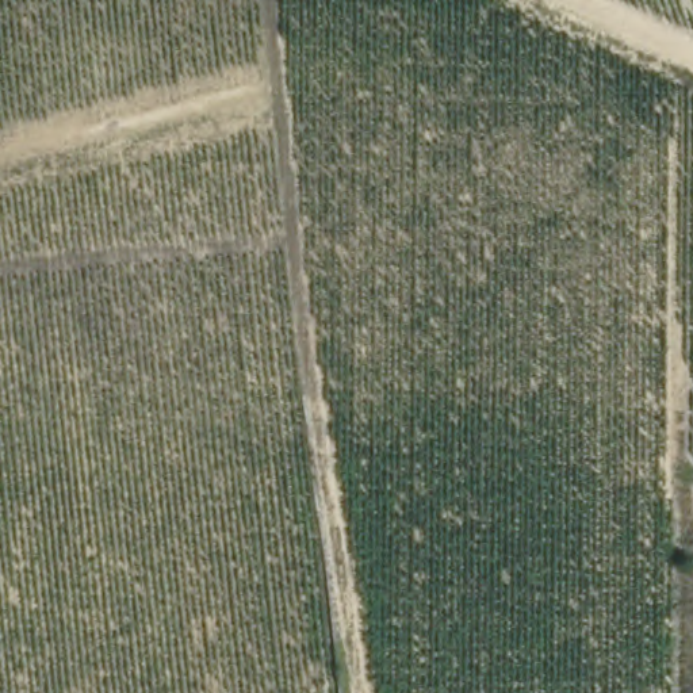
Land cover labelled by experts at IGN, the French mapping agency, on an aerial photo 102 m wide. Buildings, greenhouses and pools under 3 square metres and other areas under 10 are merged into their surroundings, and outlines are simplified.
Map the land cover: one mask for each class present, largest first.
<instances>
[{"label":"vineyard","instance_id":"1","mask_svg":"<svg viewBox=\"0 0 693 693\"><path fill-rule=\"evenodd\" d=\"M257 46L268 49L273 111L271 130H241L230 141L198 143L184 154H152L149 160L130 162V171L125 173L119 171V165L106 162L92 173L73 176L70 181L43 179L41 184L35 181L11 187L5 195H0V693H693V73L655 54L639 51L620 38L601 35L598 30L582 27L571 19H560V11L547 8L541 0H0V127L22 119H46L57 111L89 108L97 100H116L143 87H168L179 84V79L211 76L233 65H254ZM677 27L693 30V0H623Z\"/></svg>","mask_w":693,"mask_h":693},{"label":"herbaceous vegetation","instance_id":"2","mask_svg":"<svg viewBox=\"0 0 693 693\"><path fill-rule=\"evenodd\" d=\"M273 111L268 49L257 46L254 65H233L211 76L179 79V84L168 87H143L116 100H97L89 108L57 111L46 119H22L0 127V195H5L11 187L35 181L41 184L43 179L70 181L73 176L92 173L106 162L119 165V171L125 173L130 171V162L149 160L152 154H184L198 143L230 141L241 130H271Z\"/></svg>","mask_w":693,"mask_h":693},{"label":"pervious surface","instance_id":"3","mask_svg":"<svg viewBox=\"0 0 693 693\"><path fill-rule=\"evenodd\" d=\"M547 8L560 11V19H571L582 27L598 30L601 35L620 38L639 51L655 54L693 73V30L677 27L623 0H541Z\"/></svg>","mask_w":693,"mask_h":693}]
</instances>
